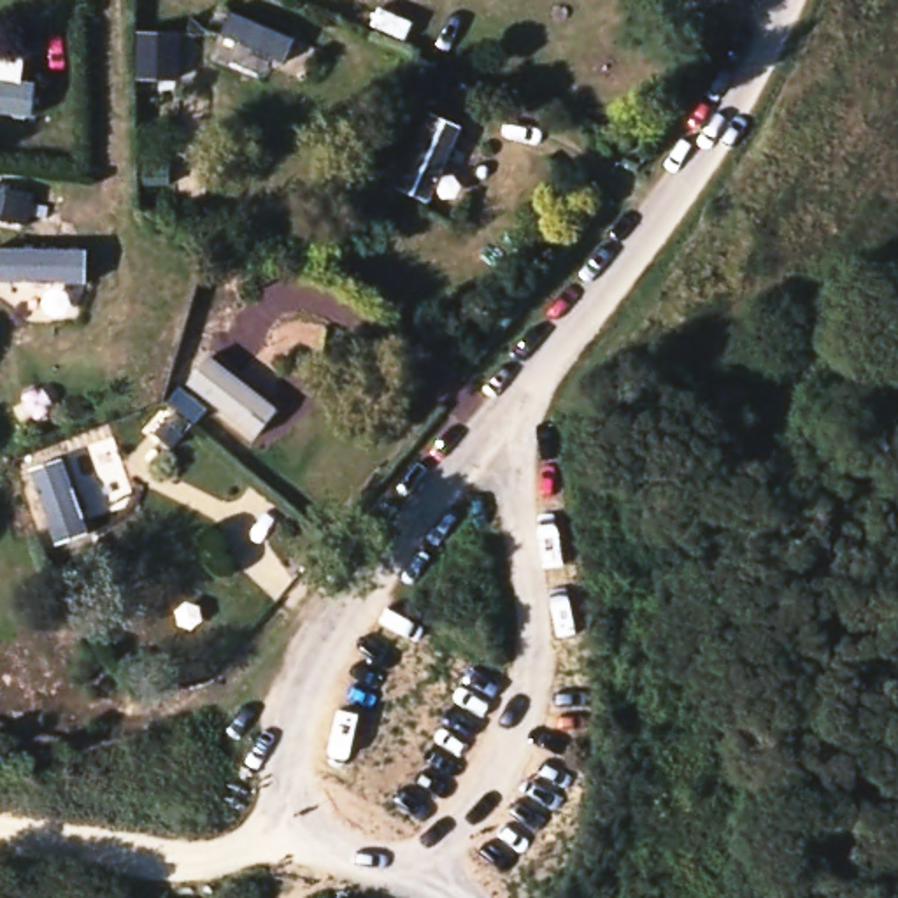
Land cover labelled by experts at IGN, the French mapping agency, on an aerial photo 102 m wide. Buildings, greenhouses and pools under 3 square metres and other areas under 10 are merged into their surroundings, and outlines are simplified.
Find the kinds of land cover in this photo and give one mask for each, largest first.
<instances>
[{"label":"deciduous trees","instance_id":"1","mask_svg":"<svg viewBox=\"0 0 898 898\"><path fill-rule=\"evenodd\" d=\"M25 53V28L11 14L7 0H0V60H18ZM621 7V25L614 39L628 49H638L649 63H659L666 74L698 60V28L705 25L709 7L705 0H614ZM674 112V98L666 95V84L659 77H652L638 91L631 88L621 98H614L607 105L603 126L586 123L579 130L586 137V151L621 147L628 137L652 140ZM396 123V105L382 98L372 84H361L351 98L330 105L326 116H312L305 126H298L295 151L305 158L312 182L295 179L284 193L291 232L274 249L249 228V221L232 214H203L179 221L175 214L137 207L130 210V232H144L168 256H210V270H221L228 277H239L246 302H256L267 291L270 277L281 284H295V277L305 274L312 246H330L337 256H379L386 249H396L400 232H393L386 221L361 217L351 207L354 189L368 179L375 151L389 140ZM470 116L481 130L509 123L516 116L512 102L502 91H470ZM133 179L151 168H168V175L179 179V189L193 196L207 193L221 168L232 179H253V165H260L256 130H235L228 137L225 126L207 123L200 133H193L189 144L172 126L165 130L133 119L130 140ZM582 172L551 161V182H540L530 203H516V249L537 242L540 235L544 242L568 246L579 235V217L593 214V193H582ZM596 372V382L586 389L575 410H558L551 403L544 421L561 435L558 470L551 474V488L561 498L554 526L561 537V561L575 565V586L586 589V624L579 628V635L589 642L586 677L600 688L617 684L642 719L677 723L681 751L723 754V782L733 786V807L726 814L730 849L709 852V859L712 866H719L730 898H898V298L891 284H884L873 274V267L863 263L856 253L824 249L810 256V277H789L786 284L768 288L754 302H744L737 323L730 316L698 312L688 323L666 330L659 340L628 344L610 361L589 365ZM267 368L277 379H288L302 393L298 410L305 414L312 407L340 442H396L414 424L407 417V396L400 389V337L372 344L361 340L354 326L330 323L323 347L295 344L288 354L267 361ZM267 537L274 540L277 561L284 568L305 565L309 586H319L330 596H368L375 593V572L396 568L393 544L386 540L382 523L372 519L361 509V502L351 512H326L323 498H309L305 509H295L281 498L270 502ZM393 610L424 635L435 624L477 628L512 663L523 652L526 607L512 589V537L505 530H491L477 540L474 526L460 523L456 533L442 544V554L421 575H414L410 586H396ZM74 568H63L67 624L70 638L77 642H105L123 614V593L112 579V561L98 544H84L74 551Z\"/></svg>","mask_w":898,"mask_h":898},{"label":"herbaceous vegetation","instance_id":"2","mask_svg":"<svg viewBox=\"0 0 898 898\"><path fill-rule=\"evenodd\" d=\"M137 28L168 32L172 18H182L189 39L203 46L221 39V21L228 18V11H235L263 28L288 35L295 56L309 63L305 77L298 81L277 70L242 77L228 67L207 63L203 56L186 74L158 81V88L137 84L133 119L165 130L172 126L189 144L193 133H200L207 123L225 126L228 137L235 130H256L260 165H253V179H232L221 168L207 193H284L295 179L312 182L305 158L295 151L298 126H305L312 116H326L330 105L351 98L361 84H372L382 98L396 105V123L389 140L375 151L368 179L354 189L351 207L361 217L386 221L393 232H400L396 249L417 256L421 263L442 270L449 281L460 284L488 274V267H495L505 253L516 249V203H530L540 182H551V154L558 151H586V137L579 130L586 123L603 126L607 105L614 98H621L631 88L638 91L652 77H659L666 74L659 63H649L638 49H628L614 39L621 25V7L614 0H126ZM372 11L407 18L410 32L400 39L372 28ZM484 39H502V70L474 67V42ZM470 91H502L512 102L516 116L523 109L558 102L568 112L572 130L540 133V147L523 168H509L498 158V172H488V179H481L488 189V225H481L470 239L453 235L445 221H421L417 203L407 196V186L421 151L428 147L435 119L467 123L470 116ZM824 249L856 253L863 263L873 267V274L884 284H891L898 298V0H835L828 21L814 28V35L800 46L796 60L775 63L772 81L761 91L758 105L747 112V123L737 133L730 154L723 158L702 196L691 203L684 221L674 228V235L663 242V249L652 256V263L642 270V277L631 284V291L621 298V305L610 312V319L600 326V333L579 351L575 365L561 375L551 403L558 410H575L586 389L596 382V372L589 365L610 361L628 344L659 340L666 330L688 323L698 312L730 316L737 323L744 302H754L768 288L786 284L789 277H810V256ZM67 151V102L46 112L39 133H28L21 119L0 116V154L60 158ZM228 277L221 270H210V256H168L144 232H130L119 239V267L102 277L95 305L77 309L67 319H32L28 305L0 302V645H11L32 628L14 610V589L28 575L42 572L46 558L63 568H74V551L56 547L53 537L42 530L25 509V456L95 428H109L119 456H130L144 438V424L151 421V414L168 407L172 393H179L189 382L196 351L217 291ZM421 438V428L414 424L396 442H340L312 407L305 414L298 410L295 417H288L274 410L253 442H242L228 424H221L214 407L193 424V435H175L168 424L161 428L165 445L154 460V467L165 477L186 481L214 498H239L242 491H260L270 502L281 498L295 509H305L309 498H323L326 512H351L361 502L365 488L375 477L393 474L396 463L410 453ZM172 502L165 495H154L137 477L130 481V505L112 512L109 526L98 530V540L123 537L137 516L151 509L165 512ZM302 628L281 596L263 593L249 579V568L221 579H203L186 596V603H179L165 617L123 614L105 642L109 652L119 659L116 677H109L98 663L81 656L74 684H81L91 698L123 695L140 702L196 684L203 691V705L225 712L228 740L246 758L228 786V810H235L242 821L253 814L260 779L267 775V765L281 744L277 726H260L263 702L284 666L295 631Z\"/></svg>","mask_w":898,"mask_h":898},{"label":"impervious surface","instance_id":"3","mask_svg":"<svg viewBox=\"0 0 898 898\"><path fill-rule=\"evenodd\" d=\"M709 7L705 25L698 28V60L666 74L659 77L666 84V95L674 98V112L652 140L666 151L659 179L638 182L631 189L628 203L596 239V249L582 263V270L561 281L551 302L523 319L519 337L509 344V351L495 358L484 386L477 393H460V403L438 428L435 442L428 445V456L410 453L396 463L393 474L375 477L365 488L361 502V509L372 519L382 523L386 540L393 544L396 568L375 572V593L368 596H330L319 586H309L305 565L284 568L277 561L274 540L267 537L270 502L260 491H242L239 498H214L186 481L165 477L154 467V460L165 445L161 428L168 424L175 414L168 407L151 414V421L144 424V438L130 456H119L109 428H95L25 456V509L42 530L46 512L56 509L46 470L70 453L91 456V467L102 481V495L109 498L112 512L130 505V481L137 477L154 495H165L172 502L207 519L249 516V537L260 554V561L249 568V579L263 593L281 596L302 628L295 631L284 666L263 702L260 726H277L281 744L267 765V775L260 779L253 814L242 821L235 831H225L217 838H175L161 856L172 866L168 880L179 894L189 898H210L214 877L242 873L256 863H267L277 873V898H509L505 884L484 856V849L470 842L474 821H484L498 807L502 793L516 803L526 796L537 765L547 761V747L533 744V730L547 716V702L561 688L586 684V677L589 642L579 635V628L586 624V589L575 586V565L561 561V537L554 526L561 498L551 488V474L558 470L561 435L544 421L551 403L561 375L575 365L579 351L600 333V326L610 319V312L621 305V298L631 291V284L642 277V270L652 263V256L663 249V242L674 235V228L684 221L691 203L702 196L723 158L730 154L737 133L747 123V112L758 105L761 91L772 81L775 63L796 60L800 46L814 35V28L828 21L835 0H705ZM460 523L474 526L477 540L491 530H505L512 537V589L526 607L523 652L512 663L509 677L488 666L474 670L470 691H453L456 709H445V726L435 730V747L424 751L428 786H403V803L414 817H400L393 824V835L400 838L396 849L389 852L379 845H365L358 831L344 828L333 817L319 772L340 768L347 761L351 740L365 751L372 747L382 723V684L389 670L400 663L396 638H424V635L393 610L396 586H410L414 575H421L442 554V544L456 533ZM207 63L228 67L242 77L277 70L298 81L305 77L309 63L295 56L253 60V53L235 39H221L203 46V56ZM0 302L28 305L32 319H67L77 309L70 305L67 291L60 284L0 281Z\"/></svg>","mask_w":898,"mask_h":898},{"label":"brushwood","instance_id":"4","mask_svg":"<svg viewBox=\"0 0 898 898\"><path fill-rule=\"evenodd\" d=\"M11 14L25 28V53L18 60L21 77L35 91L32 116L21 119L28 133H39L46 112L67 102V151L60 158L0 154V175L32 179L49 189L60 182L95 186L88 161L84 39L91 18L109 14V130L130 140L133 119L137 84V28L126 0H7ZM474 67L502 70V39H484L474 42ZM509 123L540 133L572 130L568 112L558 102L523 109ZM666 151L652 140L628 137L621 147L586 151H558L551 154V161L582 172V193H593V214L579 217V235L568 246L544 242L540 235L537 242L516 249L505 253L495 267H488V274L460 284L449 281L442 270L421 263L417 256L396 249H386L379 256H337L330 246H312L305 274L295 277V284L323 291L351 312H358L365 323L354 326L361 340L372 344L400 337V389L407 396V417L414 424L421 428V438L410 453L428 456V445L435 442L438 428L460 403V393H477L484 386L495 358L509 351V344L519 337L523 319L551 302L561 281L582 270V263L596 249V239L628 203L631 189L638 182L659 179ZM460 200L435 196L431 203H417L421 221H445L453 235L470 239L481 225H488V189L481 179L474 168L456 179ZM137 207L175 214L179 221L203 214H232L249 221V228L274 249L291 232L284 193H207L193 196L179 189L140 186L137 193ZM249 516L207 519L172 502L165 512L151 509L137 516L123 537L98 540V544L112 561V579L123 593V614L165 617L179 603H186V596L203 579H221L249 568L260 561V554L249 537ZM14 610L32 628L56 631L67 624L63 568L46 558L42 572L28 575L14 589ZM424 638L431 649L428 674L435 684L453 681V659H467L474 670L488 666L509 677L512 663L477 628L435 624L424 635ZM81 656L98 663L109 677H116L119 659L109 652L105 642H77ZM607 709L586 712L589 758L582 761V768L589 782L579 807L575 859L554 870L547 880H540L526 863L523 877L505 884L509 898H730L719 866H712L709 859V852L730 849L726 814L733 807V786L723 782V754L681 751L677 723L642 719L617 684L600 688ZM246 758L228 740L225 712L203 705L165 719L102 712L81 730H63L53 709H35L21 719L0 712V814L63 817L67 824H109L175 838H217L225 831H235L242 821L235 810H228V786ZM0 898H189L179 894L168 880L137 877L109 863L84 866L81 859H46L39 866L11 870L0 856ZM277 873L267 863H256L242 873L214 877L210 898H277Z\"/></svg>","mask_w":898,"mask_h":898},{"label":"pervious surface","instance_id":"5","mask_svg":"<svg viewBox=\"0 0 898 898\"><path fill-rule=\"evenodd\" d=\"M84 39L88 161L95 186L60 182L49 189V200L39 207L35 221H0V249H84L88 277L84 284H70L67 291L70 305L77 309L95 305L102 277L119 267V239L130 232V210L137 207V193L133 179L130 140L109 130V14L91 18ZM540 147V133L509 123L481 130L477 147L470 154L474 168L481 179H488V172H498V158L509 168H523ZM330 323L354 326L365 323L358 312H351L323 291L295 284H281L270 277L267 291L256 302H246L239 277H228L217 291L196 351L210 354L225 372L246 382L274 410L288 417H295L298 410L302 393L288 379H277L267 368V361L288 354L295 344L323 347ZM81 656L77 642L70 638L67 624L56 631L32 628L11 645H0V712L21 719L35 709H53L63 730H81L102 712L165 719L203 705V691L196 684L140 702L123 695L91 698L81 684H74ZM400 663L389 670L382 684V723L372 747L365 751L351 740L347 761L340 768L319 772L333 817L344 828L358 831L365 845H379L389 852L396 849L400 838L393 835V824L400 817H414L403 803V786H428L424 751L435 747V730L445 726V709H456L453 691H470L474 670L467 659H453V681L435 684L428 674L431 649L424 638H396ZM607 709L600 688L586 677V684L561 688L547 702V716L533 730V744L547 747V761L537 765L526 796L516 803L502 793L498 807L484 821H474L470 842L484 849V856L505 884L523 877L526 863L540 880H547L554 870L575 859L579 807L589 782L582 768V761L589 758L586 712ZM175 838L109 824H67L63 817L0 814V856L11 870L39 866L46 859H81L84 866L109 863L137 877L168 880L172 866L161 856Z\"/></svg>","mask_w":898,"mask_h":898},{"label":"building","instance_id":"6","mask_svg":"<svg viewBox=\"0 0 898 898\"><path fill-rule=\"evenodd\" d=\"M221 39H235L253 53V60L295 56L288 35L263 28L235 11H228V18L221 21ZM372 28L400 39L410 32L407 18L372 11ZM203 56V46L189 39L182 18H172L168 32L137 28V84L158 88V81L186 74ZM35 91L21 77L18 60H0V116L21 119L32 116ZM481 130L470 116L467 123L435 119L428 147L421 151L407 186V196L417 203H431L435 196L460 200L456 179L474 168L470 154L477 147ZM140 186L179 189V179L168 175V168H151L133 179L137 193ZM49 200V189L32 179L0 175V221H35L39 207ZM88 277L84 249H0V281L60 284L67 291L70 284H84ZM168 407L175 414L168 424L175 435H193V424L214 407L221 424H228L242 442H253L274 410L246 382L225 372L210 354L196 351L189 382L179 393H172ZM56 509L46 512L42 530L53 537L56 547L74 551L84 544H98V530L109 526L112 512L109 498L102 495V481L91 467V456L70 453L46 470Z\"/></svg>","mask_w":898,"mask_h":898}]
</instances>
